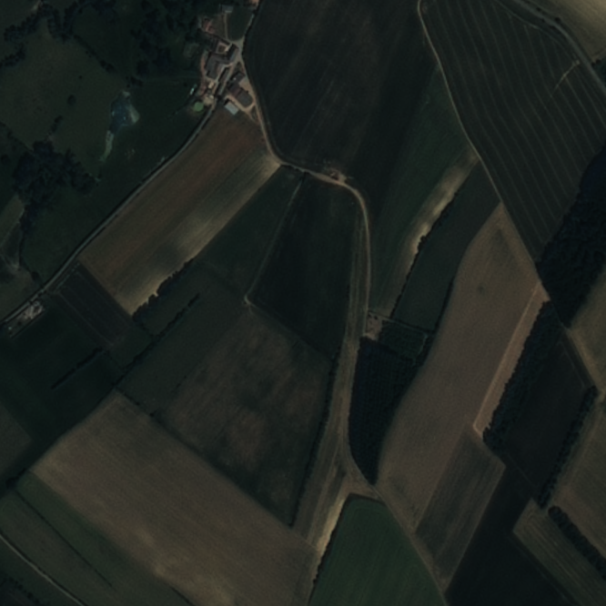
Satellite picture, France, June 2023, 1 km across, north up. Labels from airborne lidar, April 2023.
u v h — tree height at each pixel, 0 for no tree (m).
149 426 0
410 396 0
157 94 0
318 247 0
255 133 0
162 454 0
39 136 0
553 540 0
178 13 31
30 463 0
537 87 0
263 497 0
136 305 0
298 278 0
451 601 0
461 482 0
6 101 0
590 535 0
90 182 15
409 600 0
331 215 0
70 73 0
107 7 35
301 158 0
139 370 0
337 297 0
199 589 0
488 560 0
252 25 0
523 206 0
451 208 6
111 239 0
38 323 0
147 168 0
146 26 0
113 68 14
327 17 0
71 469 0
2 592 0
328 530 0
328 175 0
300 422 0
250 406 0
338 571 0
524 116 0
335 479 0
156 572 0
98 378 0
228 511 0
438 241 0
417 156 0
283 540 0
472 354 0
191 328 0
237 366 0
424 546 0
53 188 6
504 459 0
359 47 0
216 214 0
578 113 0
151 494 0
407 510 0
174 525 0
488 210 0
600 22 0
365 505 0
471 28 0
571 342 0
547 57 0
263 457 0
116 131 0
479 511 0
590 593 0
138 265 0
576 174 0
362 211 0
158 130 0
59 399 0
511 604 0
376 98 0
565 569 0
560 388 0
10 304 0
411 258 0
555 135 0
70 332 0
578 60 0
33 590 0
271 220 0
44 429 0
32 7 0
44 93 0
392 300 0
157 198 0
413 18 0
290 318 0
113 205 0
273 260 0
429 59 0
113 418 0
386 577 0
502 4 0
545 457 0
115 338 0
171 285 11
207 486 0
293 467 0
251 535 0
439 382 0
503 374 0
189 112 0
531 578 0
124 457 0
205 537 0
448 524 0
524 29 0
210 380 0
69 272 0
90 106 0
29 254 0
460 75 0
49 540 0
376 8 0
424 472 0
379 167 0
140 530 0
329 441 0
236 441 0
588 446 0
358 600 0
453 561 0
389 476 0
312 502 0
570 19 0
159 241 0
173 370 0
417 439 0
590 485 0
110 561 0
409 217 0
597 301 0
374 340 0
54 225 0
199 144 0
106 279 0
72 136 0
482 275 0
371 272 0
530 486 0
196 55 0
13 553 0
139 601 0
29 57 0
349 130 0
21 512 0
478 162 0
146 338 0
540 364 16
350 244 0
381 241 0
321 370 0
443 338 0
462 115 0
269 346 0
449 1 0
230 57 0
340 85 0
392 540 0
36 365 0
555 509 7
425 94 0
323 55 0
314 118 0
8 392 0
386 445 0
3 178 0
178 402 0
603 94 0
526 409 0
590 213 16
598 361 0
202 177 0
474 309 0
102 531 0
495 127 0
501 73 0
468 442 0
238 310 0
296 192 0
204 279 0
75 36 7
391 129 0
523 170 0
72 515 0
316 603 0
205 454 0
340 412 0
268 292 0
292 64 0
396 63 0
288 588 0
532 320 0
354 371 0
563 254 22
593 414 0
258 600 0
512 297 0
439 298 0
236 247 0
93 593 0
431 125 0
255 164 0
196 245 0
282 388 0
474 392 0
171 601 0
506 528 0
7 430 0
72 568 0
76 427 0
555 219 0
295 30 0
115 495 0
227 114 0
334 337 0
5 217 0
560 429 0
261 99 0
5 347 0
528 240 0
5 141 0
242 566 0
